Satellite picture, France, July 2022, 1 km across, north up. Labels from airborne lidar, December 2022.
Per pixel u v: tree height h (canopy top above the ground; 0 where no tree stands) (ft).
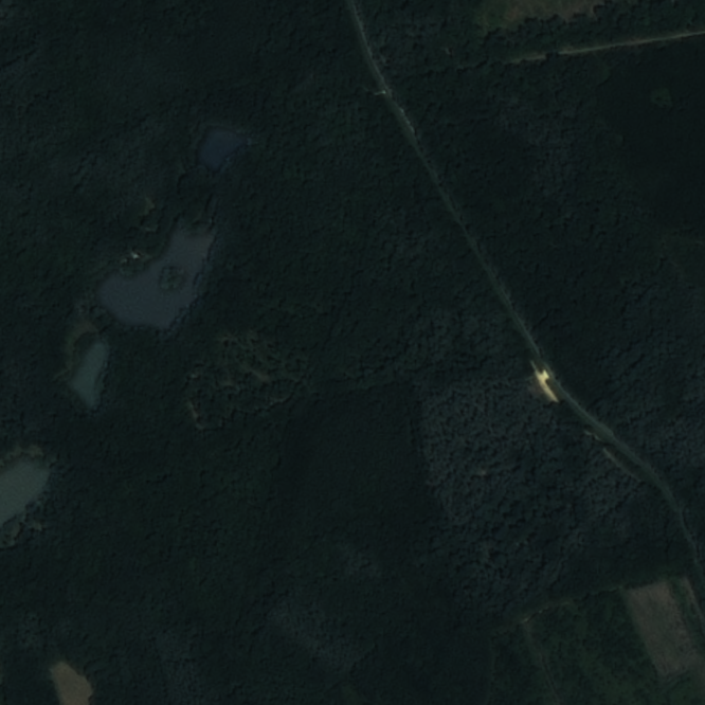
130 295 0
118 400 47
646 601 0
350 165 50
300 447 61
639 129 40
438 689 79
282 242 66
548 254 100
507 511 108
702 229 33
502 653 23
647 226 74
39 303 72
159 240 50
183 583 61
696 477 82
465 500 69
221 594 63
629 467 22
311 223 62
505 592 73
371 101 57
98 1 56
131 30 49
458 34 55
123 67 48
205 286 68
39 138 48
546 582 79
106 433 52
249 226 63
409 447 56
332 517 45
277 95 60
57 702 26
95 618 53
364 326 93
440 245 82
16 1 52
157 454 74
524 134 67
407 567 84
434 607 53
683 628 0
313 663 46
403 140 47
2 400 70
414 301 82
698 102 35
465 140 93
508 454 90
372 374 90
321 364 74
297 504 56
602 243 83
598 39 74
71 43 56
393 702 52
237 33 36
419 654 73
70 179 41
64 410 79
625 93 38
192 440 59
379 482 48
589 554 83
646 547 80
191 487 63
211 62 52
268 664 65
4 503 0
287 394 65
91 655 31
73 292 79
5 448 89
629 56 29
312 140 65
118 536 75
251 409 73
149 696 66
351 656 85
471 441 84
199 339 58
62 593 63
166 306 0
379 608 68
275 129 56
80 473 73
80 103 47
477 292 86
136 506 31
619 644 25
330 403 59
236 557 62
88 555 78
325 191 59
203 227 63
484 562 107
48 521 69
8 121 60
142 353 58
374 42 41
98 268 58
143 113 59
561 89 65
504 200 95
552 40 77
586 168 77
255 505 47
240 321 55
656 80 34
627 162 35
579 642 26
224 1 52
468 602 54
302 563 65
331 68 52
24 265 72
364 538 70
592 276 90
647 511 77
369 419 61
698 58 29
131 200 76
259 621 56
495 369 79
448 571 84
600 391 52
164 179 79
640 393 77
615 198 80
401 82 65
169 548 28
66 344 63
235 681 69
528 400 77
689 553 63
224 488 51
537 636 20
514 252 86
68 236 73
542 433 79
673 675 0
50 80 70
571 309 93
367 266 65
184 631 78
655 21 75
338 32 62
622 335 60
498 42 77
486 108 71
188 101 50
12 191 80
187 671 73
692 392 100
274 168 60
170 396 65
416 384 82
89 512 65
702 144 33
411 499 54
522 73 73
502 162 91
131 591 75
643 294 54
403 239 74
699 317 48
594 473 85
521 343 31
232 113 58
